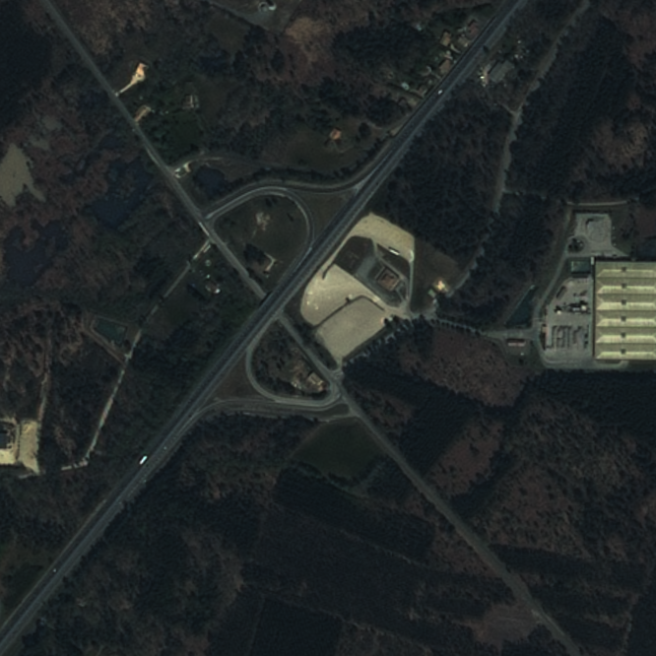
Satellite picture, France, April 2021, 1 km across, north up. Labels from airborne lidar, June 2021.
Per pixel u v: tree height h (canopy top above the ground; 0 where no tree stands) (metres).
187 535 17
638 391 21
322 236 0
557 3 15
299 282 0
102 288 14
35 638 6
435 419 18
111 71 15
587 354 0
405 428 14
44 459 11
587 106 18
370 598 11
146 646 20
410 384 20
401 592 9
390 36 17
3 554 16
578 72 15
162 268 6
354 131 0
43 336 0
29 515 18
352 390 11
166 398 20
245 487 10
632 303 0
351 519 8
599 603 10
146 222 16
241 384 0
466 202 12
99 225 14
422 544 9
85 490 10
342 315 0
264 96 11
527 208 15
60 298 8
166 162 7
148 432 10
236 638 16
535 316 0
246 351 0
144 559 13
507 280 9
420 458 17
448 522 14
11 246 0
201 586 18
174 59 14
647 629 11
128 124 11
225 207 0
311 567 10
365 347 0
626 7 10
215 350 8
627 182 10
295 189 0
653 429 19
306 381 15
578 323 0
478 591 9
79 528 12
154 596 16
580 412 16
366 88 10
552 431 8
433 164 17
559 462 9
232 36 0
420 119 0
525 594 0
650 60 13
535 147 12
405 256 0
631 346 0
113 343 0
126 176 19
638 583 12
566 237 0
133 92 0
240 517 13
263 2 0
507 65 0
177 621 15
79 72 9
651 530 13
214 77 25
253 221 0
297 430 13
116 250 16
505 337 0
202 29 14
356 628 11
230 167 0
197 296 17
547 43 19
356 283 0
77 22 0
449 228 16
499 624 0
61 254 17
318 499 11
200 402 0
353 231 0
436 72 9
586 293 0
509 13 0
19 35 9
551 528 10
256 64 9
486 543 16
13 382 0
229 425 11
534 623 0
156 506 13
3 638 0
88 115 28
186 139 0
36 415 0
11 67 10
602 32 15
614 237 0
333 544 9
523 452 8
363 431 0
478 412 18
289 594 8
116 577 14
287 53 0
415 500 7
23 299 6
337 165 0
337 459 0
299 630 11
